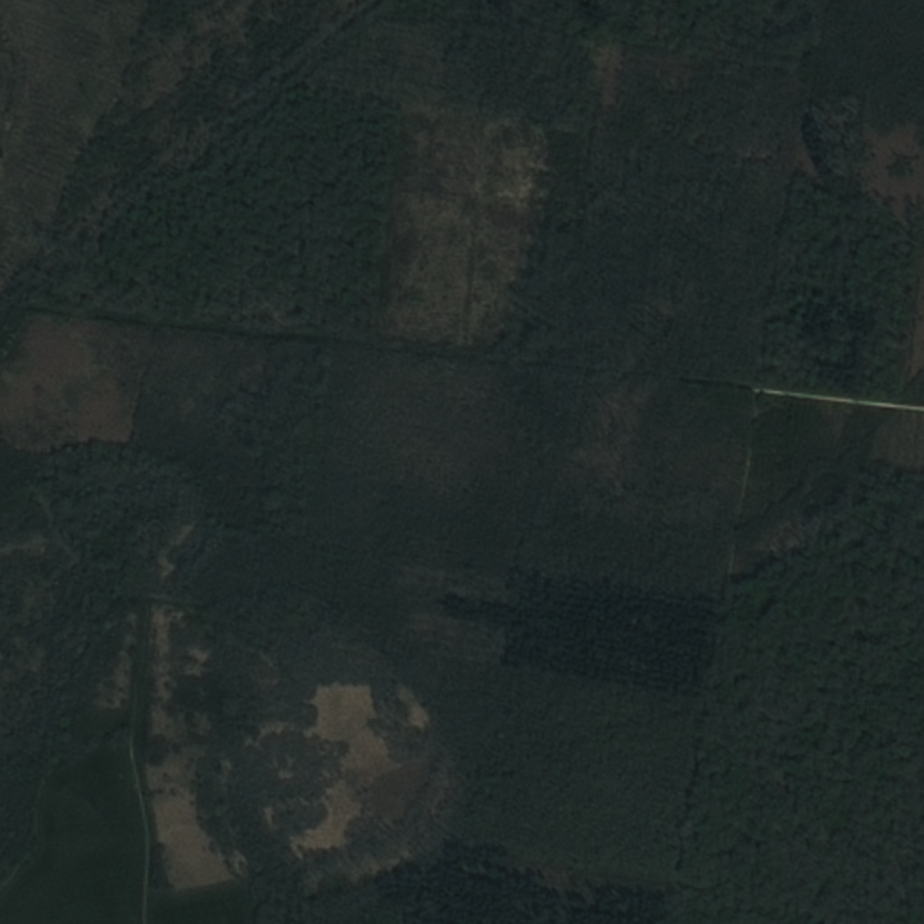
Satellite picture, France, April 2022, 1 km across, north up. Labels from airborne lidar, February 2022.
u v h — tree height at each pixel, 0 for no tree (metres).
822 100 7
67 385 0
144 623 0
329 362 22
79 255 22
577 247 23
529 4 23
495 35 26
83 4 0
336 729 0
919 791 25
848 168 28
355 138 21
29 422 0
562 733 16
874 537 23
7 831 13
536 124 15
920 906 25
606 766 18
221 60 6
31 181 0
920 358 0
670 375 19
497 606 15
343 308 22
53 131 0
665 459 13
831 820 22
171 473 13
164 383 8
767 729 26
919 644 20
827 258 25
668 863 19
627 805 19
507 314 0
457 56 23
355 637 15
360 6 11
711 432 14
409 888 30
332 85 18
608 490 16
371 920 15
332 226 27
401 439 9
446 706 19
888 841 24
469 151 0
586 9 24
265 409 24
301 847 8
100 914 0
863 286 23
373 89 15
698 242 18
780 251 19
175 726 0
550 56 24
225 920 0
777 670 20
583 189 14
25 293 17
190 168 16
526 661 23
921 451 0
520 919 25
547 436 16
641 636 24
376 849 20
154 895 0
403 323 0
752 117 14
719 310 16
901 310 20
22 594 7
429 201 0
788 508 13
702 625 26
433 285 0
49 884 0
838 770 27
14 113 0
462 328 0
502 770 23
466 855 28
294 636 6
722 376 16
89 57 0
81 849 0
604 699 19
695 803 19
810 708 21
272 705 11
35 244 0
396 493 14
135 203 23
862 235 24
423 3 18
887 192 0
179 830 0
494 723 23
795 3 20
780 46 22
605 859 18
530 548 15
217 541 21
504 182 0
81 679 11
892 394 23
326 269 24
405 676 14
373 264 25
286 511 11
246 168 27
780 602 14
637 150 17
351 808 0
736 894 25
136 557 18
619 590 21
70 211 7
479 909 27
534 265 30
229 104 10
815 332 25
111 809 0
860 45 7
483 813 23
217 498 11
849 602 23
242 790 12
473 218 0
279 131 26
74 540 7
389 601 17
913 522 25
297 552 19
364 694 0
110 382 0
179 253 23
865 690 23
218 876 0
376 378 7
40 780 7
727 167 17
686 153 16
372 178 26
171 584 6
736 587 24
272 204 24
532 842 20
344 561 16
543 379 17
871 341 22
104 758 0
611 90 0
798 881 28
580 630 26
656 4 18
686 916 24
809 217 23
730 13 22
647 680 22
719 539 17
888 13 7
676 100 12
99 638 13
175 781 0
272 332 16
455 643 15
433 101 17
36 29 0
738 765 20
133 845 0
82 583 7
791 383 14
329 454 14
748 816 27
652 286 20
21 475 7
